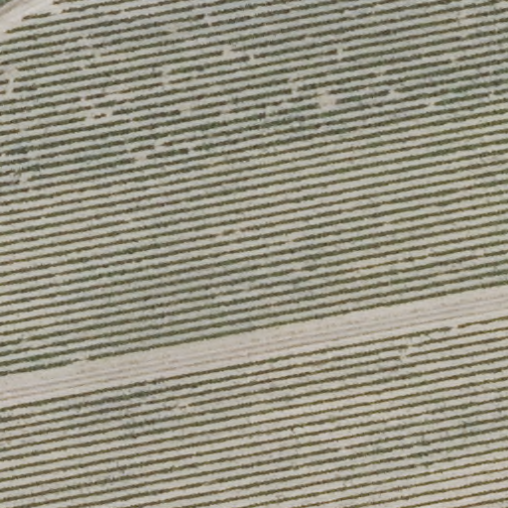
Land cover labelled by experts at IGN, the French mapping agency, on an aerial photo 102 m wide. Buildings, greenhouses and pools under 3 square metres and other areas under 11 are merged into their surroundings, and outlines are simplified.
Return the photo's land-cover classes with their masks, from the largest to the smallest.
<instances>
[{"label":"vineyard","instance_id":"1","mask_svg":"<svg viewBox=\"0 0 508 508\"><path fill-rule=\"evenodd\" d=\"M0 508H508V0H0Z\"/></svg>","mask_w":508,"mask_h":508}]
</instances>
